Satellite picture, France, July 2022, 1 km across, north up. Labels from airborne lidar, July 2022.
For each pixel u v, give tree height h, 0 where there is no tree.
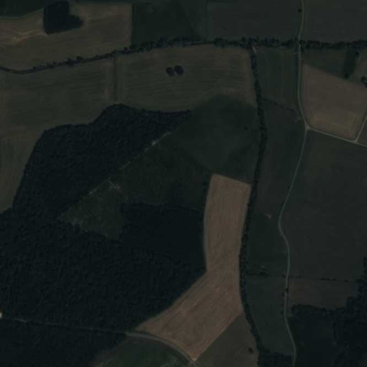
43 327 18
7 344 25
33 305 14
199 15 0
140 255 21
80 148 24
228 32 0
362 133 0
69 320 17
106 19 0
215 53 0
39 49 0
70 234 21
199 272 18
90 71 0
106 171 20
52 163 22
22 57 0
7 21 0
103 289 22
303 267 0
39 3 0
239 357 0
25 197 19
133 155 20
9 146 0
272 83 0
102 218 0
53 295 19
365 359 0
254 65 16
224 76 0
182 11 0
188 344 0
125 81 0
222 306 0
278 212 0
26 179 17
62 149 16
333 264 0
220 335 0
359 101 0
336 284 0
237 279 0
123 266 18
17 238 22
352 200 0
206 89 0
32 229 26
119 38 0
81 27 0
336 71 0
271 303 0
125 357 0
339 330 17
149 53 0
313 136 0
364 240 0
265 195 0
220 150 0
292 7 0
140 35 0
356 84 0
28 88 0
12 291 14
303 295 0
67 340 18
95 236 24
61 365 18
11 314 20
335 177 0
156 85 0
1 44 0
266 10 0
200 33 0
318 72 0
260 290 0
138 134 26
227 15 0
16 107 0
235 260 0
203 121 0
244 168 0
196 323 0
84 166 20
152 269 26
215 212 0
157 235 15
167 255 10
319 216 0
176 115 17
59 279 20
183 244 13
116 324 20
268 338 0
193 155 0
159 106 0
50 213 19
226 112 0
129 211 15
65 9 15
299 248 0
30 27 0
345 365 26
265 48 0
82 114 0
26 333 22
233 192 0
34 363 21
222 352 0
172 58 0
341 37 0
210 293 0
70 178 20
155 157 0
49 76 0
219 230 0
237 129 0
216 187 0
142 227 16
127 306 22
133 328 14
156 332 0
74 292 17
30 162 14
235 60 0
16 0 0
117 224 0
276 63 0
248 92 0
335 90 0
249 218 12
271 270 0
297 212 0
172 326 0
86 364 17
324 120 0
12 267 22
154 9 0
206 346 0
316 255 0
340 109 0
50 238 22
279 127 0
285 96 0
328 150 0
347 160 0
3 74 0
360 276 0
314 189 0
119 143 20
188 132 0
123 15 0
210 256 0
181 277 20
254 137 0
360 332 26
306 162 0
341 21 0
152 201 0
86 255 21
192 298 0
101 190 0
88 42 0
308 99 0
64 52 0
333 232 0
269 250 0
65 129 17
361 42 14
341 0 0
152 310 18
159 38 0
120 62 0
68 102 0
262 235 0
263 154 10
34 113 0
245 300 12
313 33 0
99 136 18
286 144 0
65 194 18
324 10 0
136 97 0
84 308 19
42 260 24
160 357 0
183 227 11
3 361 24
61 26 16
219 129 0
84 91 0
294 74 0
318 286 0
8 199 0
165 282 26
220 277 0
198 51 0
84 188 19
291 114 0
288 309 0
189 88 0
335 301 0
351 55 0
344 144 0
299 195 0
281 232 0
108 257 15
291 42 16
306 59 0
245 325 0
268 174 0
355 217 0
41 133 0
